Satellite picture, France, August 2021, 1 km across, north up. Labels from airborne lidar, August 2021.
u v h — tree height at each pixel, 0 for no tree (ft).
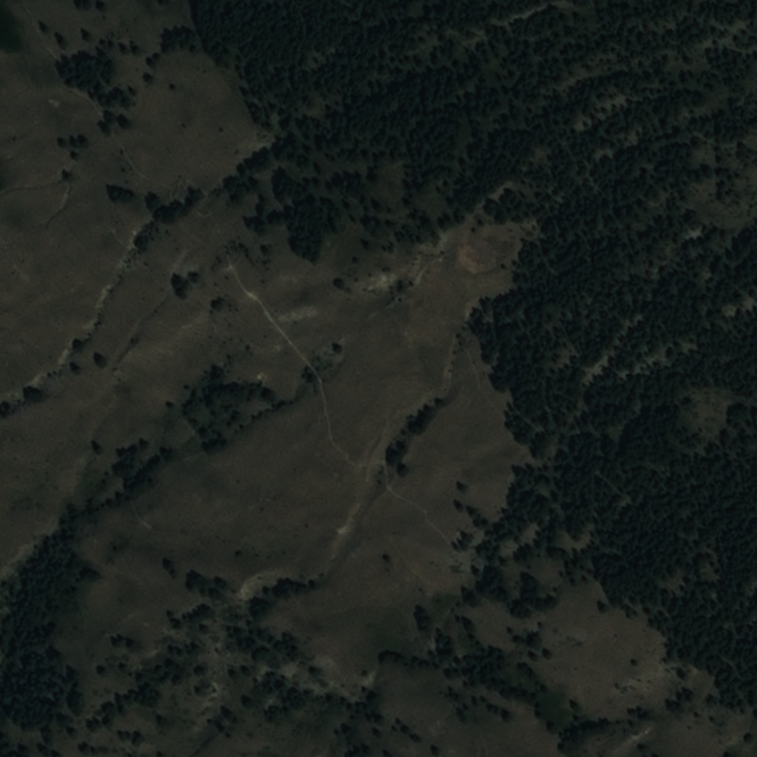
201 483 0
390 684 0
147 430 0
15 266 0
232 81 0
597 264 47
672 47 34
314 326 0
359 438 0
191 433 0
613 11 24
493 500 0
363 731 0
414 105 76
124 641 55
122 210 0
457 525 0
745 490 35
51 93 0
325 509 0
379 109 87
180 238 0
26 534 0
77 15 0
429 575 0
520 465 0
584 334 33
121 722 0
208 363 0
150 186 0
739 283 67
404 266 0
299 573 0
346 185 74
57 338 0
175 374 0
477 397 0
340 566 0
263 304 0
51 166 0
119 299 0
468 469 0
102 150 0
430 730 0
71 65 77
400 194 0
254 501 0
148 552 0
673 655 44
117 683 0
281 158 71
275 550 0
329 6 75
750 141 0
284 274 0
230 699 0
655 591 69
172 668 63
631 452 82
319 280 0
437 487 0
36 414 0
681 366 54
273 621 0
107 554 0
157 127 0
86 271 0
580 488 86
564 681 0
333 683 0
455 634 0
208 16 72
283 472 0
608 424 81
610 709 0
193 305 0
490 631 0
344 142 35
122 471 63
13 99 0
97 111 0
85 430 0
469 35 66
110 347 0
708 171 55
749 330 55
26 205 0
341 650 0
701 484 51
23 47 0
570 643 0
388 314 0
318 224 70
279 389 0
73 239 0
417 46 73
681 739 0
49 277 0
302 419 0
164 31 0
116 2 0
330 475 0
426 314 0
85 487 0
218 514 0
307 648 0
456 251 0
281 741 0
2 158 0
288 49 81
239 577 0
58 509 0
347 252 0
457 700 52
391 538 0
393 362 0
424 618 50
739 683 49
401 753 0
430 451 0
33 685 60
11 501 0
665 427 73
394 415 0
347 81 65
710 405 0
